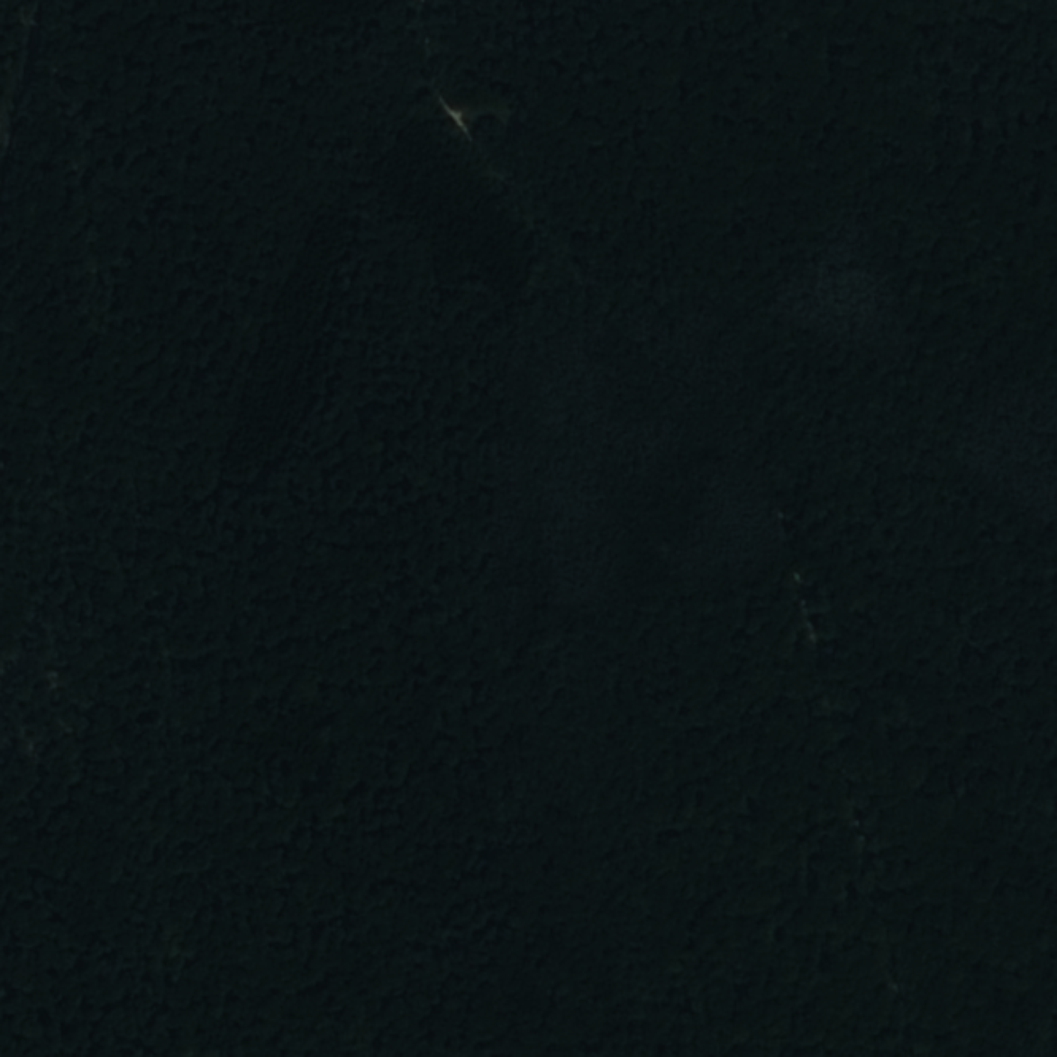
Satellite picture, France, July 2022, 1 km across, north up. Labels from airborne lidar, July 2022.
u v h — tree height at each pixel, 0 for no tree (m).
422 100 24
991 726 26
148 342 28
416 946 23
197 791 25
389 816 21
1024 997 27
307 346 13
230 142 26
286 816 23
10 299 19
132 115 27
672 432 22
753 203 25
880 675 24
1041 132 29
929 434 19
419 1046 18
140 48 25
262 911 22
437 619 21
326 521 26
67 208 21
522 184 20
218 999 26
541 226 23
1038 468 19
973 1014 21
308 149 22
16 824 26
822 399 15
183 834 18
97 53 27
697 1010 27
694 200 22
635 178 27
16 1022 24
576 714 21
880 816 24
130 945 25
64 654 22
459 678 22
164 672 21
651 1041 18
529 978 30
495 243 18
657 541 21
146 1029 27
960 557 16
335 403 23
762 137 28
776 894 19
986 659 24
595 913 23
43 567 20
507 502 21
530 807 22
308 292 12
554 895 25
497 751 25
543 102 29
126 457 24
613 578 21
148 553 27
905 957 27
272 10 22
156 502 21
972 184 29
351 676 7
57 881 21
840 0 28
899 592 22
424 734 22
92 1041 22
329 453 22
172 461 21
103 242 23
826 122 13
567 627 20
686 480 19
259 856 21
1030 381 19
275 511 25
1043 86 29
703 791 27
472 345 18
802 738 23
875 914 28
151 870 22
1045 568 23
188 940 23
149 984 23
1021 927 26
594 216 22
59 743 23
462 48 22
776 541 22
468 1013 25
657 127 30
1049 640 25
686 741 23
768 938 26
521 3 20
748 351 19
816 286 21
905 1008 23
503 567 18
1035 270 20
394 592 25
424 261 19
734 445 26
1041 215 28
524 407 20
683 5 30
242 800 28
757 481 25
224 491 25
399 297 20
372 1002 23
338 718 22
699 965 21
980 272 26
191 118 26
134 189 24
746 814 27
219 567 21
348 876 20
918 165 26
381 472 26
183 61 26
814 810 26
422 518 23
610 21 29
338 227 15
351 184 17
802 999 20
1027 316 31
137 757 22
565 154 22
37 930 21
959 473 17
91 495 24
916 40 22
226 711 22
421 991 20
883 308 18
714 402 22
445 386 24
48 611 22
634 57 32
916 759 27
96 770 21
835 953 29
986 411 21
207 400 22
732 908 22
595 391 19
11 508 20
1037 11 24
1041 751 20
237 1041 22
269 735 6
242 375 13
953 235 28
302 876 25
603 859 23
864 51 29
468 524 20
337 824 21
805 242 19
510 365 19
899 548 23
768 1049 22
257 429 15
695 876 18
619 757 20
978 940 28
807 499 22
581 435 19
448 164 16
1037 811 24
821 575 16
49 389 26
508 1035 28
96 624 22
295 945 23
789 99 26
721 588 18
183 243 25
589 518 18
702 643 29
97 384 21
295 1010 22
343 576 21
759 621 24
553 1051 28
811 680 23
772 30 31
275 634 26
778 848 21
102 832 20
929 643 22
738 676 23
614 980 24
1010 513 17
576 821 21
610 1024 19
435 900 19
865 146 23
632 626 28
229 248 21
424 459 23
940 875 25
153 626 21
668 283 22
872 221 19
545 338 20
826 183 23
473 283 20
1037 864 22
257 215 21
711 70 30
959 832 24
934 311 23
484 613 20
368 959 25
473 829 18
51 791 25
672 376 18
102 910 23
